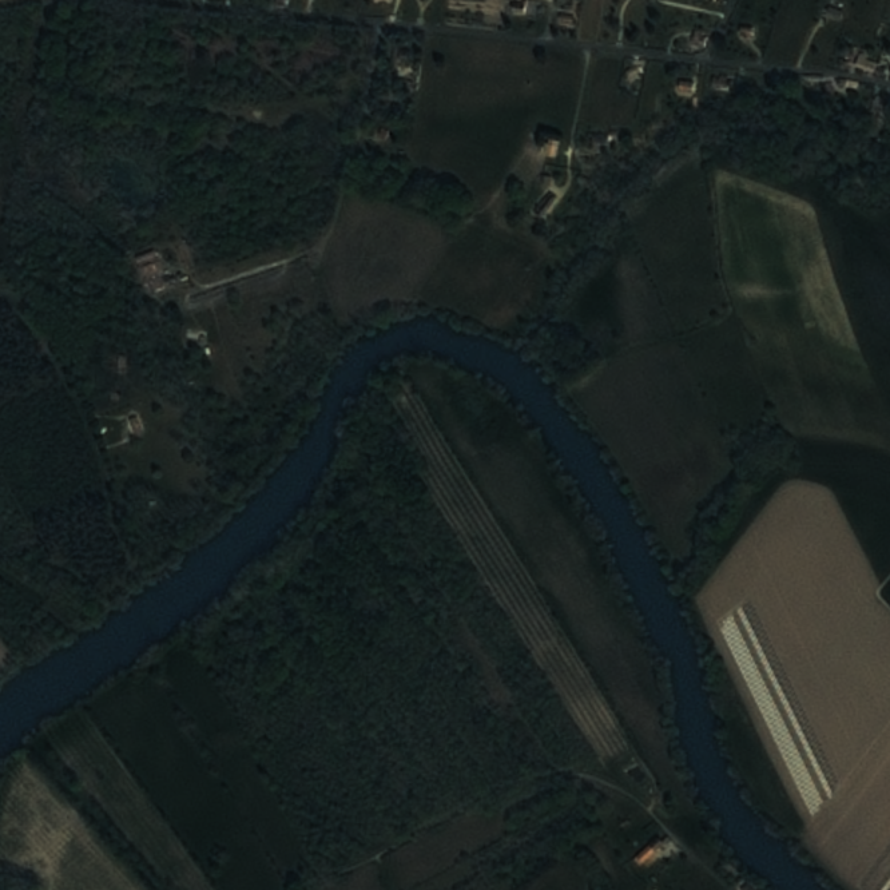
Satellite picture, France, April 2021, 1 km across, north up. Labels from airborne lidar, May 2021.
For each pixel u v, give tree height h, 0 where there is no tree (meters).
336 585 31
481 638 12
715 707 15
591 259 17
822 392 0
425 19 0
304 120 10
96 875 0
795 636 0
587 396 0
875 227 0
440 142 0
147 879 16
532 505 0
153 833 0
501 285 0
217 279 0
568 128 0
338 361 12
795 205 0
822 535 0
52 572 12
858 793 0
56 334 14
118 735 0
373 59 14
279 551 23
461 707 18
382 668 18
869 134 26
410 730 26
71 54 22
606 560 14
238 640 17
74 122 13
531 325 11
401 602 27
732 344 0
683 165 0
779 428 8
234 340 0
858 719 0
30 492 7
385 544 25
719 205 0
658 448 0
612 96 0
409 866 0
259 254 8
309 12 0
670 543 0
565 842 19
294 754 7
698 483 0
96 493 7
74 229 19
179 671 0
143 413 0
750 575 0
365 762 22
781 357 0
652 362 0
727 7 0
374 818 9
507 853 6
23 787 0
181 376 17
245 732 15
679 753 14
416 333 0
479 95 0
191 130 18
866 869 0
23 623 6
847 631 0
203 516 16
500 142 0
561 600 0
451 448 6
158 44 15
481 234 0
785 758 0
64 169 9
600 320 0
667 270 0
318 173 16
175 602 0
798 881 0
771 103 12
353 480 13
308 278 0
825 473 0
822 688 0
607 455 12
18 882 25
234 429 12
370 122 12
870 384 0
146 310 21
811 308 0
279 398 11
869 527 0
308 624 18
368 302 0
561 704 16
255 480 14
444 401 0
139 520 17
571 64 0
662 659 14
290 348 10
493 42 0
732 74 0
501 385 14
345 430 20
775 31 0
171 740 0
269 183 10
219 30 13
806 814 0
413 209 14
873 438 0
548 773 15
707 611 0
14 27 15
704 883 0
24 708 0
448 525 16
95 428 15
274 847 0
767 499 0
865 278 0
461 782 17
